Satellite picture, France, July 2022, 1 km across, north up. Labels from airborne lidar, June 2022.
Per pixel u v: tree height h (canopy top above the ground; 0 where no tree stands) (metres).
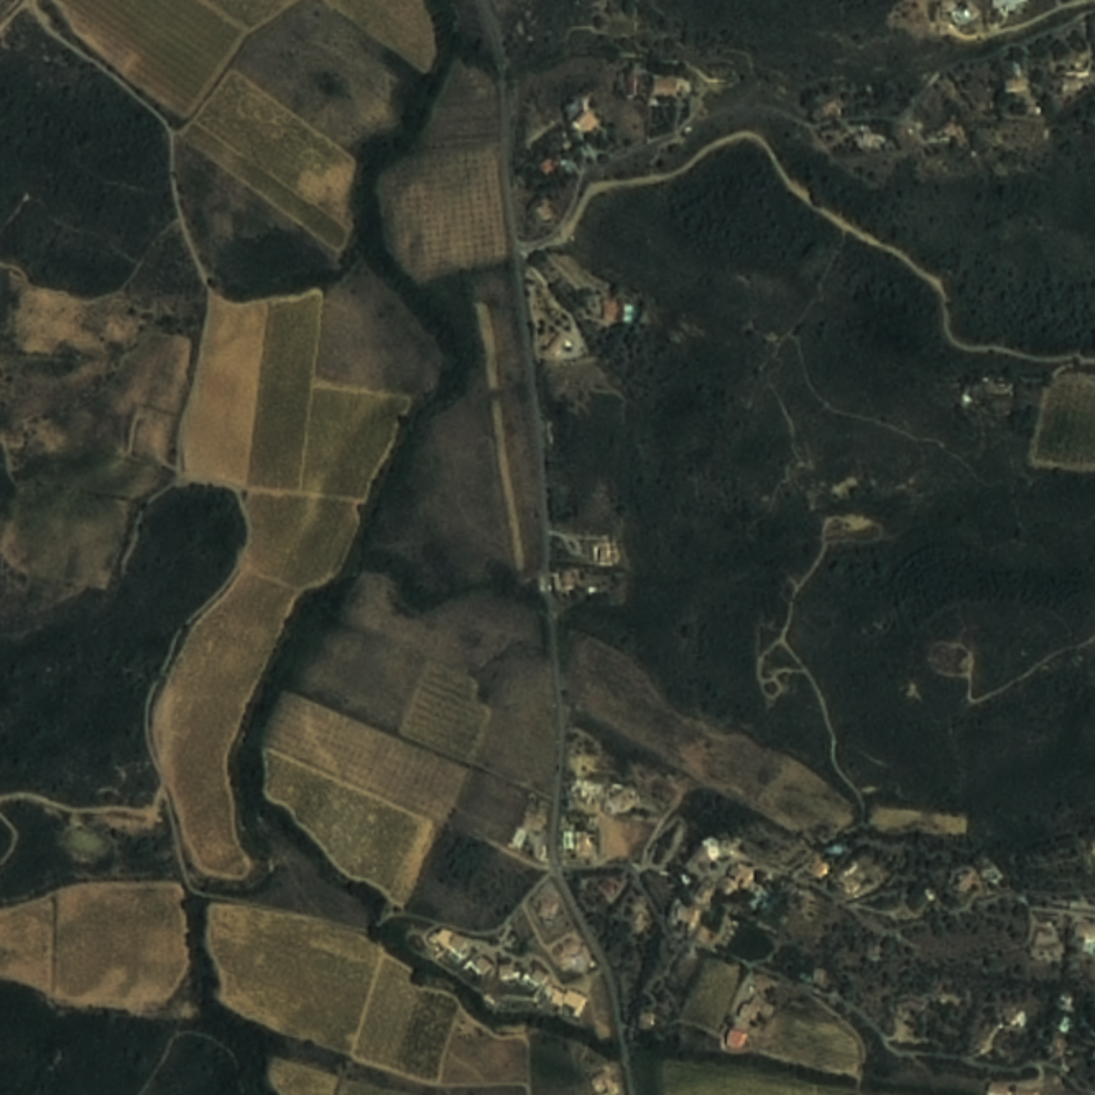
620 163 0
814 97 10
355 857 0
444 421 0
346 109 0
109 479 0
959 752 0
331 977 0
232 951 0
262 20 0
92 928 0
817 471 0
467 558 0
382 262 9
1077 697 8
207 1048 9
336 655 0
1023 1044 6
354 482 0
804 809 0
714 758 0
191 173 0
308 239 0
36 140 7
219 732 0
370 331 0
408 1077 0
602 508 0
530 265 8
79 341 0
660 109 6
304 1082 0
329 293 0
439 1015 0
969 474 0
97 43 0
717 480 7
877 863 6
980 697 0
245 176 0
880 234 7
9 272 0
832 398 0
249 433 0
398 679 0
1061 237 0
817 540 0
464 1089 0
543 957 0
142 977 0
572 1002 0
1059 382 0
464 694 0
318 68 0
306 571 0
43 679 8
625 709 0
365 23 0
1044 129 0
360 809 0
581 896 7
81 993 0
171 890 0
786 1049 0
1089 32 8
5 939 0
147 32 0
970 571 7
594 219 0
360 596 0
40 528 0
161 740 0
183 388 0
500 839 0
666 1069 0
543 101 0
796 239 10
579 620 0
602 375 0
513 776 0
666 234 0
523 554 0
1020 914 12
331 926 0
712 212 10
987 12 0
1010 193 11
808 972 6
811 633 0
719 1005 0
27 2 0
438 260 0
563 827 0
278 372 0
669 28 11
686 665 0
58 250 8
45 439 0
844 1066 0
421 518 0
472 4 0
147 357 0
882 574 13
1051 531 0
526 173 7
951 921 13
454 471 0
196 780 0
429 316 8
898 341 9
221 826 0
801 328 8
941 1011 11
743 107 0
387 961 0
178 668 0
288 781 0
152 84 0
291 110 0
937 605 8
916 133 0
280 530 0
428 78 10
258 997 0
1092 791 0
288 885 0
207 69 0
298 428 0
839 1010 7
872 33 0
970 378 12
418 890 0
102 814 0
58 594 0
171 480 0
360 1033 0
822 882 7
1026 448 0
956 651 0
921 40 0
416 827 0
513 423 0
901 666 0
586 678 0
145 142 8
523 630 0
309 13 0
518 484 0
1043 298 12
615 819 0
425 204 0
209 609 0
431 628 0
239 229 0
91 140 8
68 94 13
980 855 9
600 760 0
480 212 0
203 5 0
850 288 9
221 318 0
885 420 7
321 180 0
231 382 0
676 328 0
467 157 0
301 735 0
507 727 0
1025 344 9
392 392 0
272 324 0
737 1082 0
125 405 0
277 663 8
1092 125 9
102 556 0
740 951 6
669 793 0
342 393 0
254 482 0
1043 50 7
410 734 0
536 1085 0
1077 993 7
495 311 0
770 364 0
